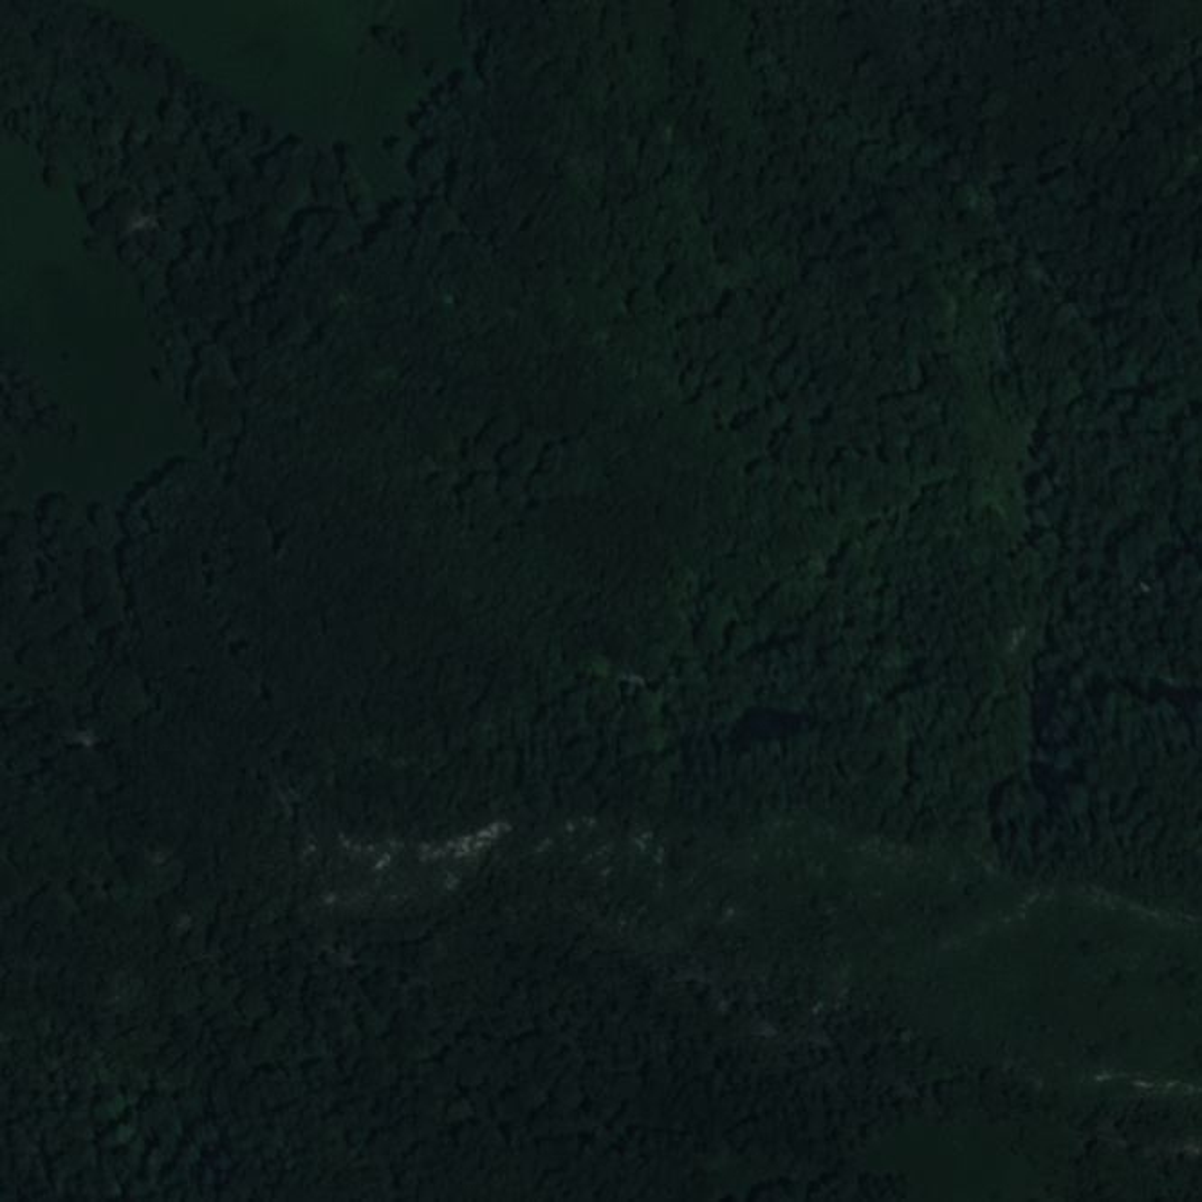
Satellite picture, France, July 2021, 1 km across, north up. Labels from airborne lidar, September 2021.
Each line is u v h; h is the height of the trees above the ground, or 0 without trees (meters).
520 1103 29
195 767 27
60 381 0
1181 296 27
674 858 11
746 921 6
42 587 11
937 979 6
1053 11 21
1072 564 30
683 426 29
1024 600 18
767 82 21
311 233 32
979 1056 8
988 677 11
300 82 0
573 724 20
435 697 26
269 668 27
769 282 23
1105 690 13
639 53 24
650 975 15
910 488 17
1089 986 6
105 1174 24
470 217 22
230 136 13
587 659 27
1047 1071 9
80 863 24
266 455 27
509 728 17
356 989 12
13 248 0
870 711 21
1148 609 26
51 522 20
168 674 28
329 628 24
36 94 8
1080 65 8
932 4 6
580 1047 7
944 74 18
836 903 16
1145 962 7
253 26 0
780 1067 11
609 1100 29
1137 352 34
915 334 32
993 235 10
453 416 22
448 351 23
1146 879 22
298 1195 27
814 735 27
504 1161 30
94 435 0
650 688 7
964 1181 0
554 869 9
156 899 9
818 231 24
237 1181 18
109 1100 29
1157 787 23
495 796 15
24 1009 23
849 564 25
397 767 23
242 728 25
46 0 16
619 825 11
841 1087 12
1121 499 28
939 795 22
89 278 0
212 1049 23
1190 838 25
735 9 12
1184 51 10
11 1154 23
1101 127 10
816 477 28
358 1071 22
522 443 21
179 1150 21
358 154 19
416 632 24
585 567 27
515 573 24
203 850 23
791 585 25
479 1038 21
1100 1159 29
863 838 6
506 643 27
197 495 27
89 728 24
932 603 23
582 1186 27
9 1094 16
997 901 5
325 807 20
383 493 28
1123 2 16
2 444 9
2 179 0
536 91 24
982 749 22
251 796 24
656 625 28
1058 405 27
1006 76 8
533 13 29
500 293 26
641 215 30
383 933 12
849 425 37
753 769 19
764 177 8
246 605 28
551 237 25
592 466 22
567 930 13
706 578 20
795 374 32
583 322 24
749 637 22
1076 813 20
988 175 26
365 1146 38
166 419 0
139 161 29
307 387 30
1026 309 24
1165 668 20
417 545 31
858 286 33
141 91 0
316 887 10
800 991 16
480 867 8
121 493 0
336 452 25
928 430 27
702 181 28
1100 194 9
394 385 25
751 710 0
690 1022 15
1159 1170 10
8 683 0
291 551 21
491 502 25
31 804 27
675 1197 27
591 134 20
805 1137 20
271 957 26
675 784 21
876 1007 7
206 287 26
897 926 6
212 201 12
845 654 28
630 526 26
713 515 28
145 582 25
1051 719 16
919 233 27
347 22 0
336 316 27
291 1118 24
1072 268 29
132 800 28
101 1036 27
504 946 11
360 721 21
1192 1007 14
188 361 11
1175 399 31
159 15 0
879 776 28
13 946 19
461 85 20
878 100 10
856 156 18
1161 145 22
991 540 27
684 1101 27
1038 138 10
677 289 31
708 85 29
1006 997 6
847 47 10
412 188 0
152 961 13
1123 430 15
